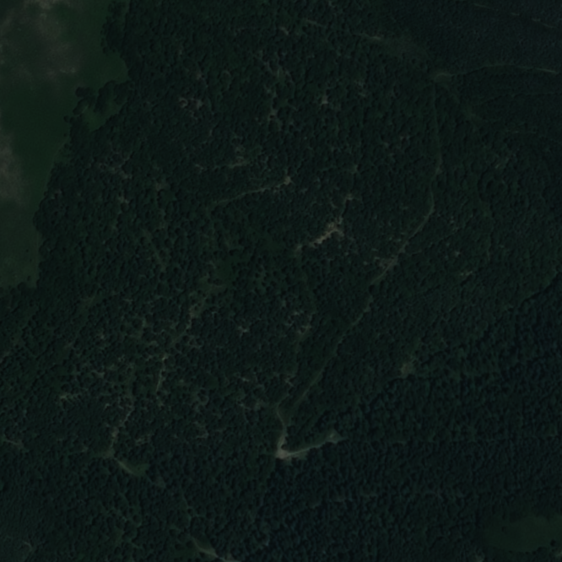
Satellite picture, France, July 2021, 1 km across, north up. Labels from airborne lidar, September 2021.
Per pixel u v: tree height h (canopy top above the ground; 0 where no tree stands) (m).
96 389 26
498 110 13
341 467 19
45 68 0
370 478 29
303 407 10
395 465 28
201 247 25
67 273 21
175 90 24
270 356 24
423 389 20
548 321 13
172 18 17
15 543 19
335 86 15
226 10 20
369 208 21
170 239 7
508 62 12
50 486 24
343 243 13
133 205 20
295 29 18
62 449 15
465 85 13
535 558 20
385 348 10
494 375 13
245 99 13
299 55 19
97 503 21
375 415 25
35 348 21
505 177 21
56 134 0
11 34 0
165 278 25
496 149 14
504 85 16
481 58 11
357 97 11
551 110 14
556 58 13
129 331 24
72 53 0
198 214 26
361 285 18
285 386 19
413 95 19
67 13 0
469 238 19
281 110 12
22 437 32
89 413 21
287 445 7
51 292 21
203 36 17
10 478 19
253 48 18
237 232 8
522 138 11
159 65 10
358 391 33
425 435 22
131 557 11
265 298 15
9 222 0
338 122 21
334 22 29
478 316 21
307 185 17
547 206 13
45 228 17
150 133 16
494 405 27
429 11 13
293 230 7
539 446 18
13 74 0
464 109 19
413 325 13
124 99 10
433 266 7
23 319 23
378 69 22
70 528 18
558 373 21
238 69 17
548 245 21
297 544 21
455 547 18
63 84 0
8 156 0
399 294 26
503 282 13
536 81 16
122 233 18
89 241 28
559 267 25
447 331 25
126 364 13
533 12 17
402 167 8
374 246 14
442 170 6
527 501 17
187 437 18
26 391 19
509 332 22
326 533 29
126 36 19
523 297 28
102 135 27
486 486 27
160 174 16
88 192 23
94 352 21
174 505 28
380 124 18
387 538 24
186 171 18
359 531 24
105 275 23
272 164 21
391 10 15
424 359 35
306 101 25
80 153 18
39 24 0
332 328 7
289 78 16
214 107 16
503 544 0
